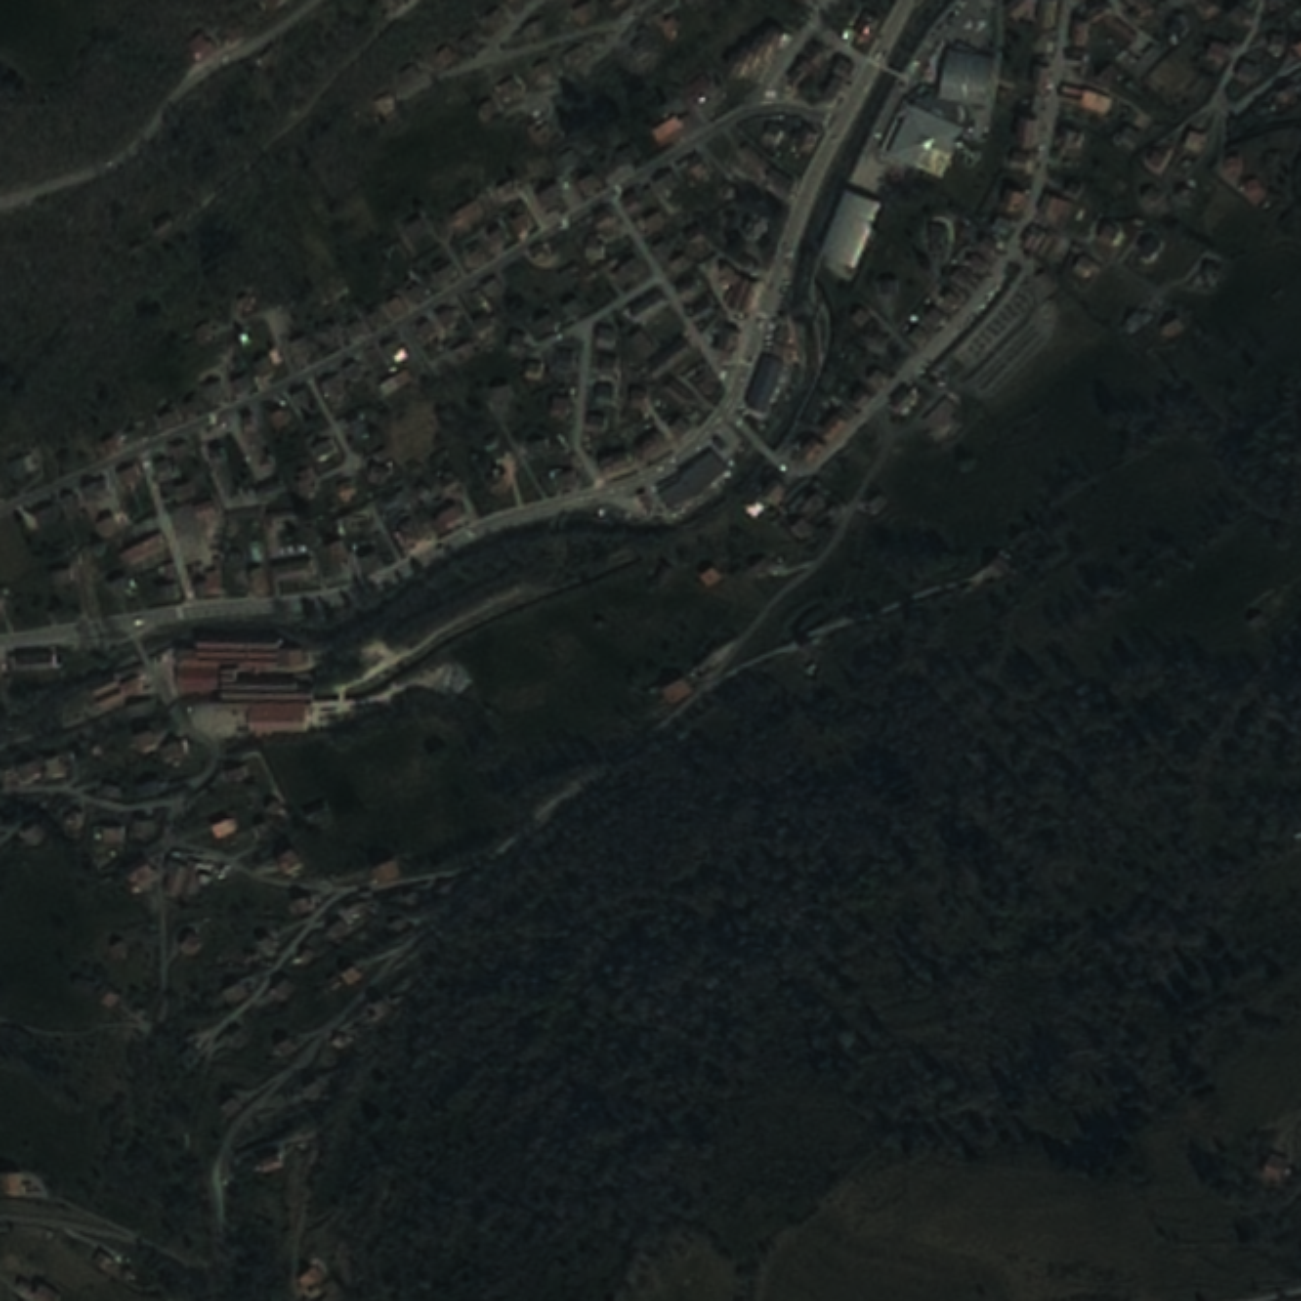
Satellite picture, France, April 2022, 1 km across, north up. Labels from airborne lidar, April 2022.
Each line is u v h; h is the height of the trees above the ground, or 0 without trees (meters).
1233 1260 0
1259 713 8
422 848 0
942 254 0
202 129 11
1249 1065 0
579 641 0
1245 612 0
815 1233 0
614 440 0
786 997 7
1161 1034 0
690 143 0
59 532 6
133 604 0
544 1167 14
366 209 0
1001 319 0
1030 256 7
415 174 0
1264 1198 13
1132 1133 11
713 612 0
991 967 6
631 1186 9
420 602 12
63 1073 15
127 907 0
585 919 14
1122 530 0
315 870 0
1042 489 0
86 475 0
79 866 12
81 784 0
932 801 20
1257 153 0
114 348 10
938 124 0
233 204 22
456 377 16
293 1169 0
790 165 0
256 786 12
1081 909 14
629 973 27
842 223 0
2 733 18
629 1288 8
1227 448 19
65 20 0
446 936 8
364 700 0
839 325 8
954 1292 0
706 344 0
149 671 0
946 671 18
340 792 0
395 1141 0
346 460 0
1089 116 6
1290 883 0
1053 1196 0
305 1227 0
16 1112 0
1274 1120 0
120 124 13
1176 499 0
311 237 0
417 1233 10
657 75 6
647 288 0
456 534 0
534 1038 13
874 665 13
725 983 7
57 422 7
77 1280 0
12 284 23
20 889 0
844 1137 0
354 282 0
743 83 0
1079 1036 0
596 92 11
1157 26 0
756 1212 0
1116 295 0
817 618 0
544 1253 0
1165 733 26
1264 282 0
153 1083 7
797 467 0
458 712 11
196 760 0
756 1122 0
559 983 18
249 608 0
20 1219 0
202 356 0
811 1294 0
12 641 0
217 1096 0
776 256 19
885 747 11
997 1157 0
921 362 0
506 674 0
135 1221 0
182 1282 14
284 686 0
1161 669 19
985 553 0
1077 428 0
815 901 14
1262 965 9
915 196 20
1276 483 22
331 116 7
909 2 0
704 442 0
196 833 0
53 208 10
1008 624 12
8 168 15
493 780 0
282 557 0
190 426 0
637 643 0
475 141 0
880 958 7
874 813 14
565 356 0
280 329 0
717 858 8
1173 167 0
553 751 0
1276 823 14
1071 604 0
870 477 0
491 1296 6
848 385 6
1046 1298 0
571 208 0
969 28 0
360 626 16
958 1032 8
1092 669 0
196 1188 15
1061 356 0
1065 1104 15
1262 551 0
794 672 0
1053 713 17
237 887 0
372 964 0
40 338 7
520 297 6
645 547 10
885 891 9
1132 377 0
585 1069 6
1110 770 23
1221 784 0
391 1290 12
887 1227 0
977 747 16
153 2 9
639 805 16
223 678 0
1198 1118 0
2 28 0
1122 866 13
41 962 0
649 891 18
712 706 8
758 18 0
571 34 0
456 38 6
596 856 17
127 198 18
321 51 12
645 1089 8
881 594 0
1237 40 0
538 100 0
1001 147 0
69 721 0
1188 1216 0
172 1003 10
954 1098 19
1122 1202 0
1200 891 16
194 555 0
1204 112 0
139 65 17
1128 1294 0
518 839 0
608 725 0
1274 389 0
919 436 0
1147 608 0
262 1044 0
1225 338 0
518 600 0
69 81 6
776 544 0
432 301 0
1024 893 12
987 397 0
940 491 0
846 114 0
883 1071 0
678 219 0
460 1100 11
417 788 0
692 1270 0
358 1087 16
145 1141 12
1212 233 0
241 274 12
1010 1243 0
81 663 0
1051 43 0
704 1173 0
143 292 19
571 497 0
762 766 14
